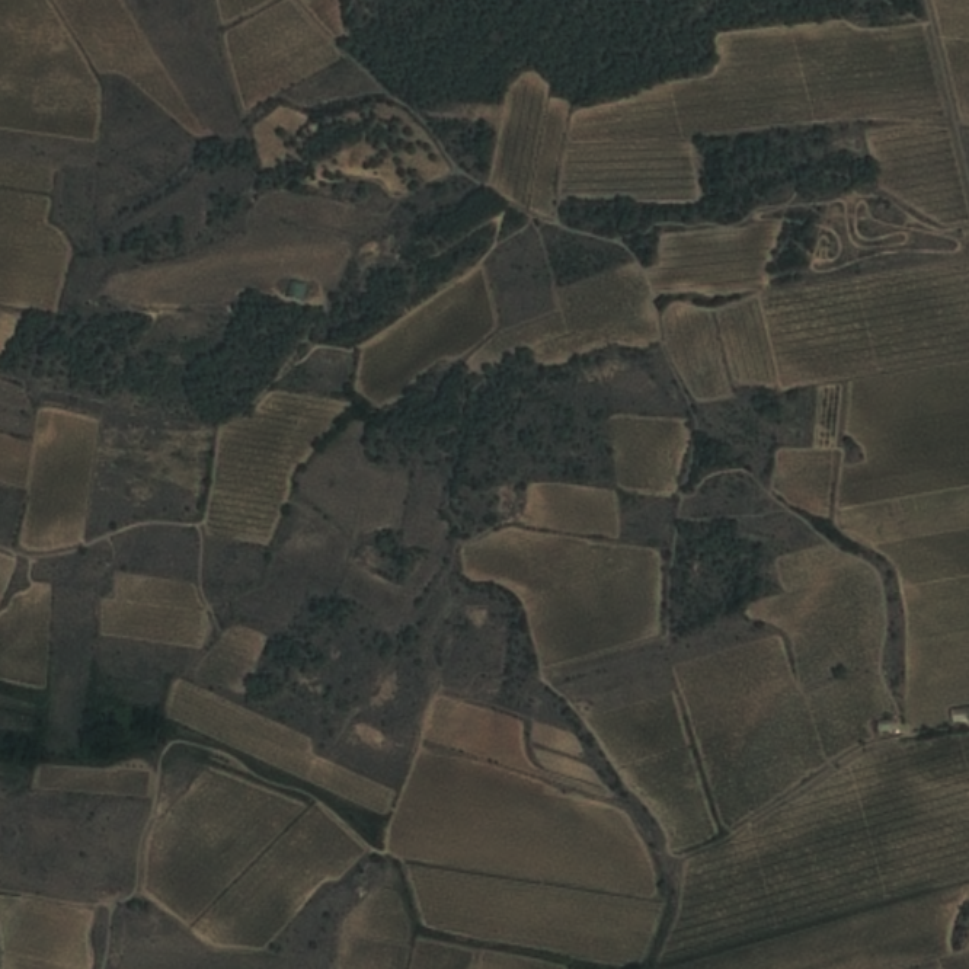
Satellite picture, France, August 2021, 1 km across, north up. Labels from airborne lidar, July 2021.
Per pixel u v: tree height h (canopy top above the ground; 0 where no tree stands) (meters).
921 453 0
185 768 0
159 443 0
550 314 0
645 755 0
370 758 0
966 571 0
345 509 0
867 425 0
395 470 0
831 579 0
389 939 0
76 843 0
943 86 0
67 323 13
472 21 13
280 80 0
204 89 0
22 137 0
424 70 10
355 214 0
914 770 0
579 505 0
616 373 0
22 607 0
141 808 0
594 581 0
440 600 0
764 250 0
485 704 0
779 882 0
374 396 0
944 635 0
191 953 0
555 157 0
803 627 0
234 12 0
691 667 0
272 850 0
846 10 11
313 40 0
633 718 0
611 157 0
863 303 0
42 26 0
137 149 0
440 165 0
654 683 0
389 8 6
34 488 0
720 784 0
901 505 0
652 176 0
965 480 0
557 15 7
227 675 0
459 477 10
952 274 0
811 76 0
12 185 0
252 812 0
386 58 10
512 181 0
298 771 0
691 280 0
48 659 0
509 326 0
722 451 9
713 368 0
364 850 0
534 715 0
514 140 0
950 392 0
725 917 0
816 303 0
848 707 0
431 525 0
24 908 0
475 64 13
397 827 0
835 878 0
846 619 0
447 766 0
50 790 0
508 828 0
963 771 0
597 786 0
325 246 0
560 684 0
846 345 0
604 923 0
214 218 9
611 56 10
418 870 0
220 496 0
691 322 0
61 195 0
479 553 0
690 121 0
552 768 0
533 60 10
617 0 11
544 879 0
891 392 0
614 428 0
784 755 0
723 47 0
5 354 9
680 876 0
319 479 0
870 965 0
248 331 10
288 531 0
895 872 0
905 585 0
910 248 0
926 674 0
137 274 0
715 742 0
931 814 0
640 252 6
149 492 0
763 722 0
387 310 12
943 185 0
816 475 0
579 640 0
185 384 12
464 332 0
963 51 0
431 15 10
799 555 0
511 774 0
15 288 0
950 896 0
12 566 0
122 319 9
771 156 13
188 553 0
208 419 10
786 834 0
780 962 0
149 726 8
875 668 0
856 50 0
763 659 0
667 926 0
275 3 0
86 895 0
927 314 0
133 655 0
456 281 0
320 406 0
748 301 0
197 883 0
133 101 0
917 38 0
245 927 0
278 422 0
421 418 10
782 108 0
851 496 0
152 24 0
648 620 0
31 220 0
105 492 0
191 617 0
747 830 0
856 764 0
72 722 0
